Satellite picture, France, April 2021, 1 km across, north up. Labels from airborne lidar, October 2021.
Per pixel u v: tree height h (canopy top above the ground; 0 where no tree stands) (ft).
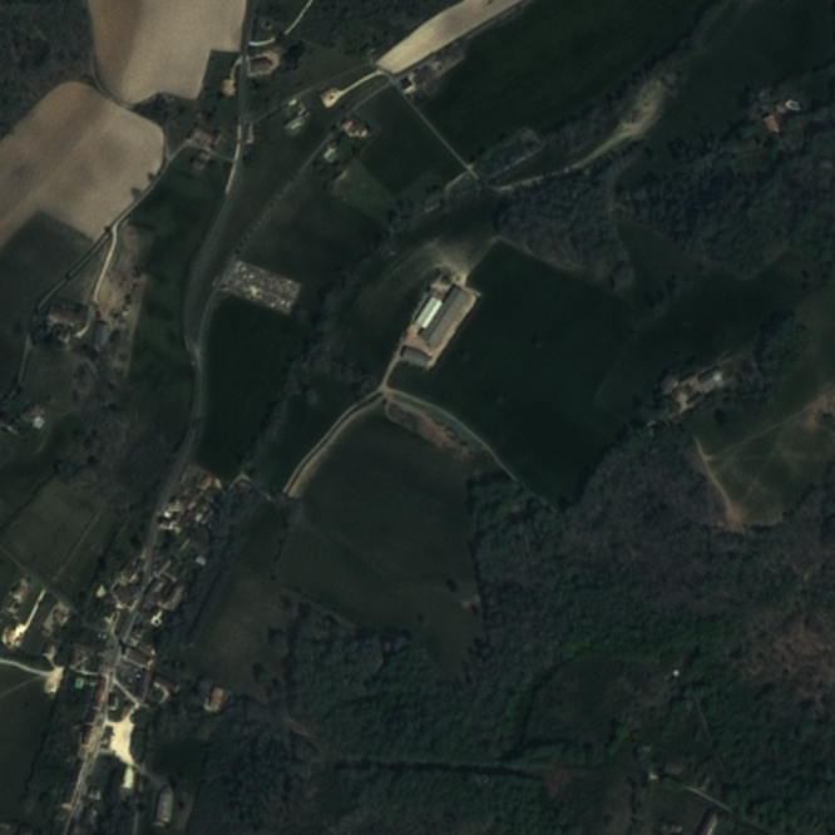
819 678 60
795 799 60
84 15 53
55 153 0
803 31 0
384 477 0
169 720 64
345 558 0
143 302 0
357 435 0
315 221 0
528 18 0
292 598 0
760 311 0
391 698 61
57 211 0
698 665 57
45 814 27
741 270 61
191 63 0
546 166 0
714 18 48
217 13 0
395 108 0
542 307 0
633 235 0
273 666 0
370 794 78
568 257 76
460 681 0
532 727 29
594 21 0
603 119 29
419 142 0
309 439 0
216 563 63
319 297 0
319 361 73
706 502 42
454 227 0
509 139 37
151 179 34
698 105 0
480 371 0
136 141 0
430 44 0
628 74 0
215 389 0
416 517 0
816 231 71
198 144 0
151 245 0
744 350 0
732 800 62
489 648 38
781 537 55
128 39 0
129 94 0
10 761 0
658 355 0
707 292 0
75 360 0
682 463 54
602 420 0
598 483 70
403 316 0
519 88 0
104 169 0
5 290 0
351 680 83
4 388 0
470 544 0
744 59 0
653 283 0
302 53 41
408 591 0
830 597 54
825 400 0
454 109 0
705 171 58
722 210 73
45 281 0
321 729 71
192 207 0
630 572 68
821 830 65
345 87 0
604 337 0
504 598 67
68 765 0
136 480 63
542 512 59
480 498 64
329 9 35
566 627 67
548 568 62
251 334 0
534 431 0
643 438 49
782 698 63
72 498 0
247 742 31
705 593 54
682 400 0
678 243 60
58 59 41
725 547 45
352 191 0
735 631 62
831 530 77
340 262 0
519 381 0
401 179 0
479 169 42
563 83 0
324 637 86
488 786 65
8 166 0
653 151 0
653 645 53
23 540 0
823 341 0
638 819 52
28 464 0
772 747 60
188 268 0
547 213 77
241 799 64
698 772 36
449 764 70
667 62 52
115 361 61
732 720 60
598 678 34
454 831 68
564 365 0
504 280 0
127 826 66
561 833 39
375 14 29
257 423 0
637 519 55
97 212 0
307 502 0
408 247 0
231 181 0
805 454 0
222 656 0
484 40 0
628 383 0
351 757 72
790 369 54
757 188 41
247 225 0
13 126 73
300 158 0
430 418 0
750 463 0
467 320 0
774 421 0
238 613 0
